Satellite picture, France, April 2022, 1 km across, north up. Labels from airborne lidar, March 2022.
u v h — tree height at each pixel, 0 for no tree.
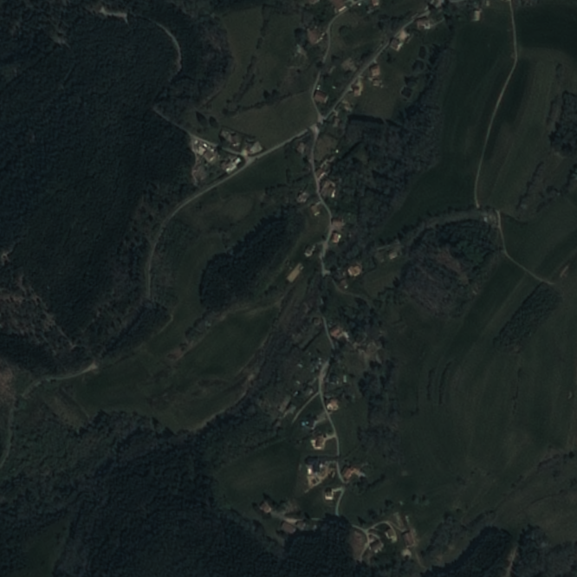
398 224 0
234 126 0
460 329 0
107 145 12
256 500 0
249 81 8
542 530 9
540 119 0
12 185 11
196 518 27
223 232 12
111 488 29
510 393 0
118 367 0
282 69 0
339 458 7
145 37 16
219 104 0
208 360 0
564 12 0
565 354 0
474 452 0
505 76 0
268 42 0
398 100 0
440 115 12
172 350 0
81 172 16
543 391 0
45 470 9
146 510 24
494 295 0
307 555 26
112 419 17
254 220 0
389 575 20
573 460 19
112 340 31
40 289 15
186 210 0
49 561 0
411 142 23
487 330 0
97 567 26
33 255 12
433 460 0
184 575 14
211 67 16
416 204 0
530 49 0
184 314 0
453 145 0
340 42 0
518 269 0
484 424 0
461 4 0
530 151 0
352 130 22
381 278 0
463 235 13
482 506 0
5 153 17
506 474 0
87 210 20
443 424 0
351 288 0
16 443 12
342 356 18
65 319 24
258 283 20
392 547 0
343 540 25
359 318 20
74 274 16
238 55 0
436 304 24
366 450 13
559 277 0
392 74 0
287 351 11
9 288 17
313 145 21
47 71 13
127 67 13
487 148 0
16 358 24
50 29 14
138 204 19
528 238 0
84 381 0
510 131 0
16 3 21
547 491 0
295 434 0
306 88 0
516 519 0
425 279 25
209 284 19
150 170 23
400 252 0
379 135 16
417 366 0
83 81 11
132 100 18
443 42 0
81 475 15
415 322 0
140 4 19
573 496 0
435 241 23
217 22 12
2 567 26
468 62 0
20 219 10
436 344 0
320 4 0
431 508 0
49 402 0
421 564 0
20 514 28
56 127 12
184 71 10
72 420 0
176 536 21
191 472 12
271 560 24
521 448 0
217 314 18
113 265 21
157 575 13
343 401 15
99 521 27
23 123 6
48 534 25
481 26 0
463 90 0
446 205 0
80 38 16
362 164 10
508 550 22
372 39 0
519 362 0
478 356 0
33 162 12
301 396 10
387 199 23
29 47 22
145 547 21
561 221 0
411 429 0
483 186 0
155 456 24
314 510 0
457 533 22
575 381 0
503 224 0
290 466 0
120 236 18
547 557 24
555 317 0
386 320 0
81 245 14
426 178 0
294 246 18
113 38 17
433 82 7
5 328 23
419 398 0
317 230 0
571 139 13
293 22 0
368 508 0
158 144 22
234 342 0
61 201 14
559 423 0
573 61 0
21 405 20
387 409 9
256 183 0
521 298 0
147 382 0
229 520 24
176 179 17
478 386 0
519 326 7
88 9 16
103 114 14
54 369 22
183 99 12
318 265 0
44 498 27
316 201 11
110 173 16
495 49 0
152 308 21
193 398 0
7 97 16
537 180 15
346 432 0
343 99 0
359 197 16
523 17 0
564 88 0
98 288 24
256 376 0
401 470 0
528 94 0
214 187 0
